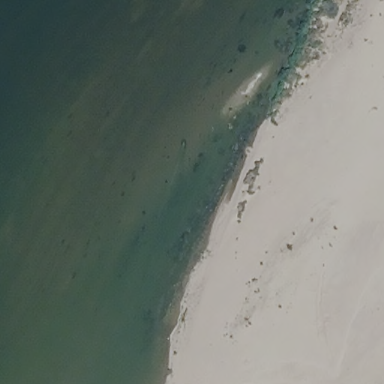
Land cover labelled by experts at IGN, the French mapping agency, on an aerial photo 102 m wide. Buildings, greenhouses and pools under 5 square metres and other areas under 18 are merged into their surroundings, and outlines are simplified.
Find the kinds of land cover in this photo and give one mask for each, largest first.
<instances>
[{"label":"water","instance_id":"1","mask_svg":"<svg viewBox=\"0 0 384 384\"><path fill-rule=\"evenodd\" d=\"M309 0H0V384H165L169 369V334L177 324L180 301L190 271L207 247L217 207L220 202H229L234 193L238 175L246 159V147L252 145L256 130L265 118L268 91L274 79L283 72L285 61L291 57L289 45L303 24L307 12L306 3Z\"/></svg>","mask_w":384,"mask_h":384},{"label":"bare soil","instance_id":"2","mask_svg":"<svg viewBox=\"0 0 384 384\"><path fill-rule=\"evenodd\" d=\"M322 24H328V28L321 33L319 40L331 49V52L322 55L318 60L309 61L306 67H295L297 73H300L298 81L303 82V87H297V90L291 91V96L283 97L276 114V126L265 118L256 130L252 145L246 147V159L238 175L234 193L229 202H220L217 207L207 247L190 271L180 301L177 324L169 334V369L165 384H384V0H340L333 18L321 16ZM258 159H262V163L253 181V193L249 195L244 177Z\"/></svg>","mask_w":384,"mask_h":384},{"label":"brushwood","instance_id":"3","mask_svg":"<svg viewBox=\"0 0 384 384\"><path fill-rule=\"evenodd\" d=\"M340 0H309L306 3L307 12L303 24L289 45L291 57L285 61L283 72L274 79L268 91L265 118L276 126V114L283 97L291 96V91L297 90V87H303V82L298 81L300 73H297L295 67H306L309 61L318 60L322 55L331 52V49L319 40L321 33L328 28V24H322L321 16L333 18ZM262 163V159H258L244 177L249 195L253 193V181Z\"/></svg>","mask_w":384,"mask_h":384}]
</instances>
